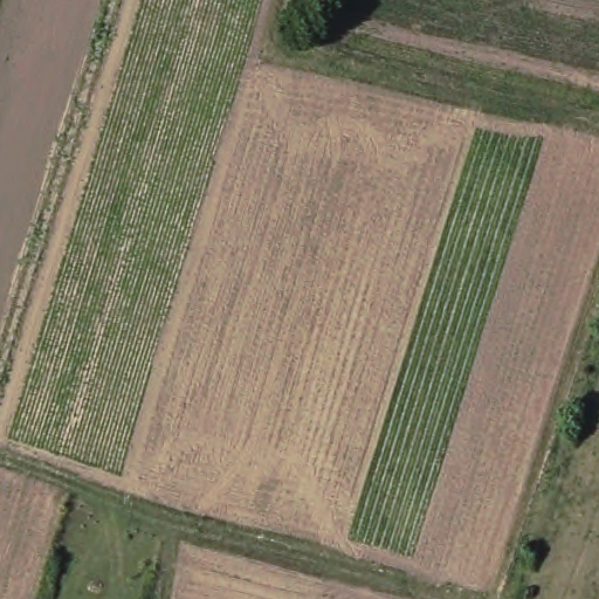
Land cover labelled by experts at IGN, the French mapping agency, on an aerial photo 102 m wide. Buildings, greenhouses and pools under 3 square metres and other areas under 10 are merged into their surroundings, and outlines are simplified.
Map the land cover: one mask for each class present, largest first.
<instances>
[{"label":"agricultural land","instance_id":"1","mask_svg":"<svg viewBox=\"0 0 599 599\"><path fill-rule=\"evenodd\" d=\"M288 0H0V447L19 452L23 456L49 461L54 466L77 473L84 480H94L105 487H115L150 501H159L178 510H192L243 526L314 538L356 559H372L405 569L409 576H424L435 585L452 580L468 590H482L501 566V557L517 512V503L522 498L524 482L529 475L531 456L550 407L559 370L564 365V356L585 292L590 283L599 276V77L594 73L531 58L498 47L424 35L421 23H412L405 30L377 19H367L360 26L351 28L335 44H325L307 51H295L292 56L283 54V49L278 47L281 35L276 19ZM531 12H548L552 16L594 19L599 14V0H531ZM63 510L54 503L51 487L0 468V599H35L44 564L51 555V541L58 529ZM171 599H402L372 592L367 587H353L337 580H321L297 571H285L281 566L250 562L246 557H234L183 543L175 562Z\"/></svg>","mask_w":599,"mask_h":599},{"label":"herbaceous vegetation","instance_id":"2","mask_svg":"<svg viewBox=\"0 0 599 599\"><path fill-rule=\"evenodd\" d=\"M531 0H342V9L335 12V16L325 23V44H335L351 28L360 26L367 19H377L405 30L412 23H421L424 35L498 47L531 58L594 73L599 77V14L594 19L552 16L548 12H531ZM573 398H580V412L576 416L578 431L573 438L576 442L571 447H564L552 433V424L557 405L562 400ZM0 468L51 487L54 503L63 510L68 494L77 496L73 524L68 529L66 548L51 550V555L56 557L58 566L49 599H143V590L152 583L154 573L145 566V559L164 564V573L157 580L154 599H171L175 562L183 543L234 557H246L250 562L281 566L285 571H297L321 580H337L353 587H367L372 592L402 599H599V276L590 283L585 292L564 356V365L559 370L550 407L531 456L529 475L524 482L522 498L517 503V512L501 557V566L482 590H468L452 580L435 585L424 576H409L405 569L372 559H356L314 538L243 526L192 510H178L159 501H150L115 487H105L94 480H84L77 473L54 466L49 461L23 456L19 452L0 447ZM522 541L533 552L531 573L519 571L515 562Z\"/></svg>","mask_w":599,"mask_h":599},{"label":"brushwood","instance_id":"3","mask_svg":"<svg viewBox=\"0 0 599 599\"><path fill-rule=\"evenodd\" d=\"M580 412V398H573L562 400L557 405L552 424V433L564 447H571L576 442L573 438L578 431L576 416ZM77 496L68 494L63 510L58 529L51 541V550L66 548L68 529L73 524ZM515 562L519 571L531 573L533 552L522 541ZM58 566L56 557L51 555L44 564L35 599H49ZM145 566L154 573L152 583L143 590V599H154L157 580L164 573V564L145 559Z\"/></svg>","mask_w":599,"mask_h":599},{"label":"deciduous trees","instance_id":"4","mask_svg":"<svg viewBox=\"0 0 599 599\"><path fill-rule=\"evenodd\" d=\"M342 9V0H288L276 19L281 35L278 47L283 49V54L292 56L295 51H307L325 44V23L335 16V12Z\"/></svg>","mask_w":599,"mask_h":599}]
</instances>
